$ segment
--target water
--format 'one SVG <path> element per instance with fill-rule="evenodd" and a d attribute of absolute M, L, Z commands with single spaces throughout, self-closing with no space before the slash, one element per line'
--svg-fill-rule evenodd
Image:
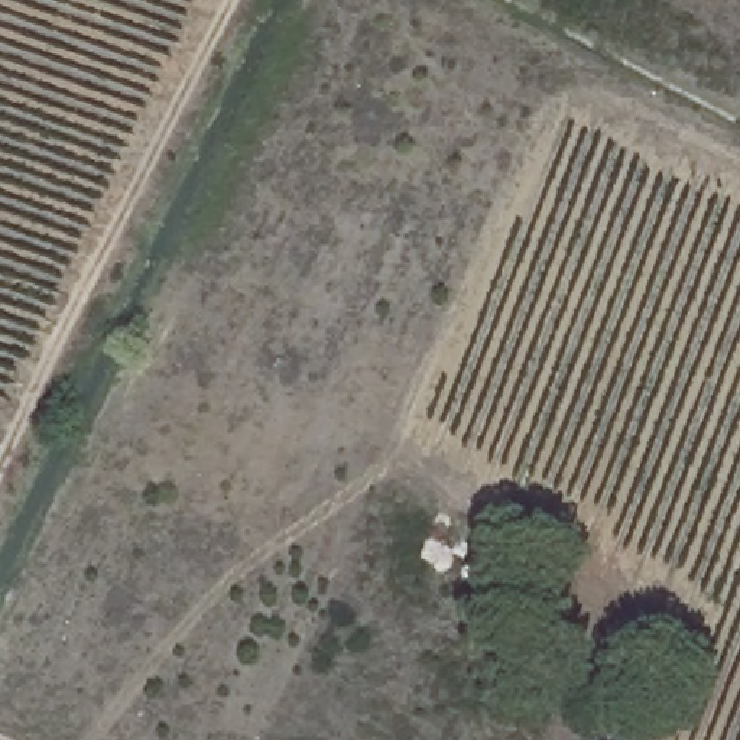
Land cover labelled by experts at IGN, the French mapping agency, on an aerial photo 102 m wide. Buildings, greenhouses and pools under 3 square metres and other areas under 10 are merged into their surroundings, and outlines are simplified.
<path fill-rule="evenodd" d="M 87 379 L 81 390 L 81 405 L 93 408 L 95 413 L 107 390 L 113 387 L 119 370 L 119 364 L 110 356 L 104 356 L 98 356 Z"/>
<path fill-rule="evenodd" d="M 14 569 L 17 552 L 23 541 L 32 543 L 40 532 L 43 515 L 58 489 L 64 454 L 58 451 L 52 451 L 0 549 L 0 604 L 6 590 L 14 590 L 20 584 L 20 569 Z"/>
<path fill-rule="evenodd" d="M 295 0 L 272 0 L 269 17 L 254 32 L 240 69 L 231 75 L 220 113 L 202 136 L 199 156 L 188 168 L 165 214 L 165 223 L 156 231 L 156 240 L 150 246 L 153 260 L 162 260 L 176 243 L 188 208 L 194 205 L 211 171 L 211 162 L 220 145 L 225 142 L 237 107 L 243 104 L 246 90 L 251 87 L 251 78 L 286 9 Z"/>

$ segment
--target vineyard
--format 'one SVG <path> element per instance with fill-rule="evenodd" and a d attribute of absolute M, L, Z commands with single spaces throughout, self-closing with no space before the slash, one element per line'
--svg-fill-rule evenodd
<path fill-rule="evenodd" d="M 561 494 L 564 503 L 575 506 L 578 520 L 584 520 L 590 532 L 593 552 L 578 567 L 572 590 L 581 601 L 581 610 L 590 619 L 598 621 L 610 601 L 616 601 L 624 593 L 639 593 L 648 587 L 671 590 L 682 604 L 702 613 L 708 624 L 708 630 L 697 636 L 708 671 L 702 694 L 697 700 L 697 711 L 702 711 L 702 717 L 697 728 L 679 731 L 665 740 L 740 740 L 740 202 L 728 197 L 714 197 L 717 188 L 723 188 L 723 179 L 717 179 L 717 185 L 708 185 L 705 176 L 697 188 L 691 188 L 685 185 L 685 179 L 650 171 L 639 156 L 624 159 L 621 145 L 616 145 L 610 136 L 601 136 L 601 130 L 587 130 L 575 124 L 572 119 L 564 121 L 564 130 L 552 124 L 535 142 L 535 150 L 523 159 L 523 168 L 515 171 L 515 176 L 520 179 L 517 188 L 509 188 L 506 182 L 500 185 L 500 194 L 486 217 L 465 278 L 451 289 L 436 341 L 425 356 L 399 416 L 399 436 L 413 442 L 419 454 L 442 454 L 451 468 L 471 471 L 483 486 L 500 480 L 517 486 L 543 486 Z"/>
<path fill-rule="evenodd" d="M 139 95 L 133 95 L 133 90 L 153 90 L 159 78 L 159 61 L 171 52 L 171 43 L 179 38 L 185 9 L 191 0 L 0 0 L 0 439 L 6 422 L 14 416 L 17 408 L 17 399 L 9 393 L 9 384 L 17 379 L 17 364 L 23 358 L 38 361 L 38 341 L 52 332 L 58 312 L 69 298 L 69 292 L 61 286 L 61 275 L 69 266 L 69 257 L 58 249 L 78 251 L 75 246 L 81 231 L 87 228 L 87 211 L 95 208 L 101 194 L 107 191 L 113 159 L 119 159 L 119 150 L 124 147 L 133 130 L 139 107 L 145 107 Z"/>

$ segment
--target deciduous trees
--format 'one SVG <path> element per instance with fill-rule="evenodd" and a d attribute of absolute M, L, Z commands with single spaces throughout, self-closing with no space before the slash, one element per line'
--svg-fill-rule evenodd
<path fill-rule="evenodd" d="M 370 723 L 356 723 L 356 731 L 373 740 L 428 740 L 396 711 L 393 700 L 379 697 L 364 700 L 356 708 L 356 714 L 370 714 Z"/>
<path fill-rule="evenodd" d="M 697 711 L 697 700 L 702 694 L 708 671 L 697 636 L 708 630 L 708 624 L 702 613 L 682 604 L 671 590 L 648 587 L 639 593 L 624 593 L 616 601 L 610 601 L 598 621 L 590 619 L 581 610 L 581 601 L 572 590 L 578 567 L 593 552 L 590 532 L 584 520 L 578 520 L 575 506 L 564 503 L 561 494 L 543 486 L 517 486 L 500 480 L 483 486 L 468 506 L 468 567 L 460 572 L 460 581 L 454 581 L 454 598 L 460 607 L 457 636 L 439 639 L 442 653 L 419 653 L 419 665 L 436 674 L 436 682 L 431 685 L 431 700 L 439 694 L 445 700 L 436 705 L 413 705 L 413 711 L 416 717 L 434 720 L 442 728 L 439 740 L 665 740 L 679 731 L 697 728 L 702 717 L 702 711 Z"/>
<path fill-rule="evenodd" d="M 43 448 L 52 451 L 58 451 L 69 448 L 81 436 L 87 439 L 95 413 L 93 408 L 81 405 L 81 390 L 87 379 L 75 367 L 55 373 L 32 410 L 29 431 L 38 436 Z"/>
<path fill-rule="evenodd" d="M 104 356 L 110 356 L 119 364 L 119 370 L 136 367 L 136 361 L 145 353 L 145 344 L 150 338 L 147 309 L 133 324 L 116 330 L 104 341 Z"/>

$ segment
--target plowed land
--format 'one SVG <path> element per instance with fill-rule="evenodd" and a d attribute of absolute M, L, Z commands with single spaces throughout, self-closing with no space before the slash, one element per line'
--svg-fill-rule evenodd
<path fill-rule="evenodd" d="M 564 87 L 558 95 L 546 95 L 543 104 L 529 116 L 529 127 L 520 133 L 520 142 L 512 150 L 506 182 L 509 188 L 517 188 L 520 179 L 515 176 L 515 171 L 523 168 L 523 159 L 535 150 L 535 142 L 552 124 L 564 130 L 564 121 L 572 119 L 575 124 L 587 130 L 601 130 L 601 136 L 610 136 L 616 145 L 621 145 L 624 159 L 639 156 L 650 171 L 685 179 L 685 185 L 691 188 L 697 188 L 705 176 L 708 185 L 717 185 L 717 179 L 723 179 L 723 188 L 717 188 L 714 197 L 728 197 L 740 202 L 740 147 L 728 145 L 731 133 L 700 121 L 700 116 L 694 116 L 691 110 L 665 104 L 665 98 L 653 90 L 639 87 L 636 95 L 627 98 L 607 87 Z"/>

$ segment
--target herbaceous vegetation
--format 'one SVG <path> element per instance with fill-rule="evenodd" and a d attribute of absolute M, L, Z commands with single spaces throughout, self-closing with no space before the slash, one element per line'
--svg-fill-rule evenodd
<path fill-rule="evenodd" d="M 9 451 L 12 463 L 6 468 L 6 480 L 0 489 L 0 549 L 52 451 L 43 448 L 38 436 L 29 431 L 20 442 L 20 451 Z"/>
<path fill-rule="evenodd" d="M 156 240 L 156 231 L 165 223 L 165 214 L 188 168 L 199 156 L 202 136 L 220 113 L 231 75 L 240 69 L 254 32 L 269 17 L 272 0 L 243 0 L 211 55 L 211 64 L 202 75 L 202 90 L 194 95 L 191 110 L 176 124 L 176 133 L 153 173 L 147 194 L 130 214 L 113 266 L 98 278 L 95 292 L 55 373 L 75 367 L 87 379 L 98 356 L 104 356 L 104 341 L 116 330 L 133 324 L 147 309 L 150 338 L 145 344 L 145 353 L 136 361 L 136 367 L 119 370 L 113 387 L 107 390 L 95 413 L 87 439 L 81 436 L 69 448 L 58 451 L 64 454 L 58 489 L 43 515 L 40 532 L 32 543 L 23 541 L 17 552 L 14 569 L 20 569 L 20 584 L 14 590 L 6 590 L 0 604 L 0 740 L 373 740 L 356 731 L 356 723 L 370 723 L 370 714 L 356 714 L 356 708 L 364 700 L 379 697 L 393 700 L 396 711 L 428 740 L 439 740 L 442 728 L 434 720 L 416 717 L 413 711 L 413 705 L 436 705 L 445 700 L 439 694 L 431 700 L 431 685 L 436 682 L 436 674 L 419 665 L 419 653 L 442 653 L 439 639 L 457 636 L 460 607 L 454 598 L 454 581 L 460 581 L 460 572 L 468 567 L 468 506 L 483 486 L 471 471 L 451 468 L 442 454 L 419 454 L 413 442 L 399 436 L 399 416 L 425 356 L 436 341 L 451 289 L 465 278 L 486 217 L 500 194 L 500 185 L 506 182 L 512 150 L 520 142 L 520 133 L 529 127 L 529 116 L 543 104 L 546 95 L 558 95 L 564 87 L 607 87 L 627 98 L 636 95 L 639 87 L 653 90 L 665 98 L 665 104 L 691 110 L 694 116 L 700 116 L 700 121 L 731 133 L 728 145 L 740 147 L 740 0 L 295 0 L 286 9 L 251 78 L 251 87 L 246 90 L 243 104 L 237 107 L 225 142 L 220 145 L 211 162 L 211 171 L 194 205 L 188 208 L 176 243 L 162 260 L 153 260 L 150 246 Z"/>

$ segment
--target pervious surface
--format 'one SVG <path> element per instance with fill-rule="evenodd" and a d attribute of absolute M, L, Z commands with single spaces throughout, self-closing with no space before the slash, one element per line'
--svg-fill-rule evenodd
<path fill-rule="evenodd" d="M 113 266 L 130 214 L 147 194 L 153 173 L 176 133 L 176 124 L 191 110 L 194 95 L 202 90 L 202 75 L 211 64 L 211 55 L 243 0 L 191 0 L 185 9 L 179 38 L 171 43 L 171 52 L 159 61 L 159 78 L 153 90 L 133 90 L 133 95 L 139 95 L 145 107 L 139 107 L 133 130 L 124 147 L 119 150 L 119 159 L 113 159 L 107 191 L 101 194 L 95 208 L 87 211 L 87 228 L 81 231 L 75 246 L 78 251 L 58 249 L 69 257 L 69 266 L 61 275 L 61 286 L 69 292 L 69 298 L 58 312 L 52 332 L 38 341 L 38 361 L 23 358 L 17 364 L 17 379 L 9 384 L 9 393 L 17 399 L 17 408 L 14 416 L 6 422 L 0 439 L 0 489 L 6 480 L 6 468 L 12 463 L 9 451 L 20 451 L 20 442 L 29 431 L 32 410 L 55 373 L 95 292 L 98 278 Z"/>

